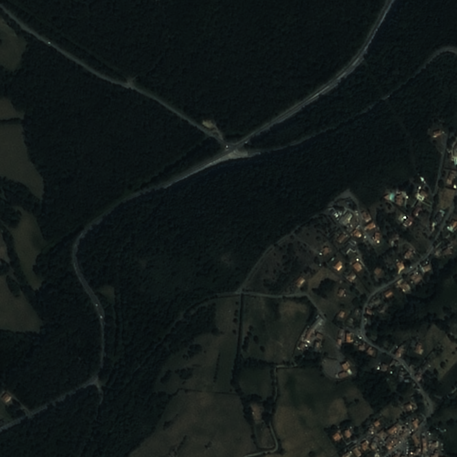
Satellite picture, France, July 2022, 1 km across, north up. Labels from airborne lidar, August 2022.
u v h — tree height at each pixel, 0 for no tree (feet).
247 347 41
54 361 62
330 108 63
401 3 51
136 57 38
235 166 51
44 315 63
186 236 43
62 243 32
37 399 49
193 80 52
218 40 37
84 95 61
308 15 42
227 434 0
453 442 0
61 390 50
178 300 35
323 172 61
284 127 71
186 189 58
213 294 27
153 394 44
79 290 50
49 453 25
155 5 58
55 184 82
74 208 65
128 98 52
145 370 20
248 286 0
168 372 28
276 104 63
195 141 54
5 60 0
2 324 0
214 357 0
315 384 0
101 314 0
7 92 59
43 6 52
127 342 33
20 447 43
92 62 65
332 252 0
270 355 0
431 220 30
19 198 62
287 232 25
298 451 0
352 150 59
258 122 53
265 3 64
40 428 60
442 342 0
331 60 53
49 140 57
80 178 78
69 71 68
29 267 0
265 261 0
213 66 58
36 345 81
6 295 0
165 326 37
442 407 27
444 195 0
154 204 73
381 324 78
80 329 69
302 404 0
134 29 54
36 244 0
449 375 0
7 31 0
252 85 69
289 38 64
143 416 26
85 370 61
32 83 56
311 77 66
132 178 47
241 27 74
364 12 32
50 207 68
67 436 55
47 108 39
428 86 31
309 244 0
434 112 30
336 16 54
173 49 47
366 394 37
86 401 54
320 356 31
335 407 0
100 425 47
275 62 69
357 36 63
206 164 0
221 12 49
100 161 52
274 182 86
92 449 27
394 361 0
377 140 47
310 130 72
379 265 39
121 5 56
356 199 0
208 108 67
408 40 64
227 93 67
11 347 25
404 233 30
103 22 54
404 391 43
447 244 22
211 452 0
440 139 0
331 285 26
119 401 38
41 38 0
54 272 60
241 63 54
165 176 40
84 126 64
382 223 32
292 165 75
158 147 78
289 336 0
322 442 0
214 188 79
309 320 23
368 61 34
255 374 0
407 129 25
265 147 58
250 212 61
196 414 0
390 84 51
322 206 42
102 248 43
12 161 0
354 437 22
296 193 72
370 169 30
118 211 53
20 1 52
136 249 36
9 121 20
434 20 41
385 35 55
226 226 22
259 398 41
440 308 0
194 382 0
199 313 34
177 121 52
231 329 0
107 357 25
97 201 64
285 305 0
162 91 68
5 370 27
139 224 62
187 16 61
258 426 0
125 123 63
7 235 68
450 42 27
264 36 70
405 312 53
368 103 49
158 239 62
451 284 0
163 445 0
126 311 50
